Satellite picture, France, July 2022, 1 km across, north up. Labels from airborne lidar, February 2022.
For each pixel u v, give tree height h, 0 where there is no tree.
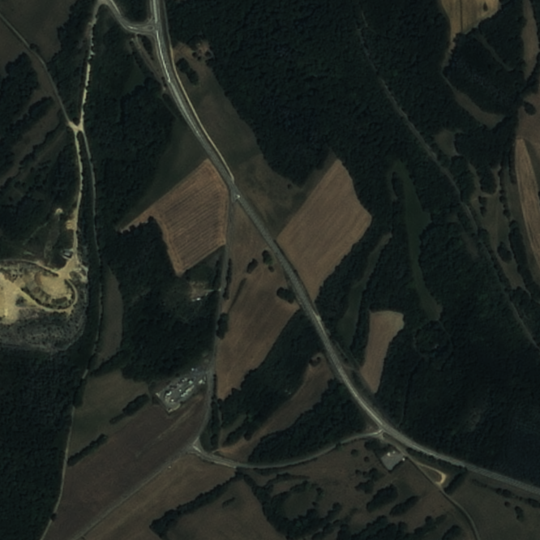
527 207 0
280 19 21
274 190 0
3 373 9
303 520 19
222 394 0
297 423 8
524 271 14
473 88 18
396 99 11
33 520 14
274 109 17
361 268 17
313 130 26
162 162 0
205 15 17
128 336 13
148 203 0
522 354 12
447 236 9
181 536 0
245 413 9
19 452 14
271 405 17
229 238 0
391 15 15
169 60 0
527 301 12
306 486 14
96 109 10
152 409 0
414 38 18
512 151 10
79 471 0
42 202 8
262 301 0
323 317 7
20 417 11
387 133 18
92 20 0
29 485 13
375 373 0
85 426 0
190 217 0
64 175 12
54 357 7
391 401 7
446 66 0
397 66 16
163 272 8
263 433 0
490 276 8
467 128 20
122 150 19
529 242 0
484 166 17
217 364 0
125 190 16
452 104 23
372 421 0
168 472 0
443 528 0
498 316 6
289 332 7
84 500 0
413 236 0
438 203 13
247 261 0
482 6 0
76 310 0
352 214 0
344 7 16
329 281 9
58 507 0
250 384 14
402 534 17
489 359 15
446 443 18
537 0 13
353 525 0
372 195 14
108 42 6
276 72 21
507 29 17
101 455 0
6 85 22
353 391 0
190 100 0
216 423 11
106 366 14
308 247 0
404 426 7
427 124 15
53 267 0
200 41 11
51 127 0
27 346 0
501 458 10
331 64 14
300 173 10
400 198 7
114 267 11
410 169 9
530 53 0
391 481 0
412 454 10
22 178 0
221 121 0
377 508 12
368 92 14
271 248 0
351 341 0
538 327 7
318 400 0
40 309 0
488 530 0
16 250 0
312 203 0
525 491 0
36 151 13
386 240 0
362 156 15
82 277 0
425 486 0
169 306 0
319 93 20
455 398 12
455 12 0
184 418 0
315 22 21
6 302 0
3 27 0
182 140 0
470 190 13
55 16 0
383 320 0
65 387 14
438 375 10
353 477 0
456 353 14
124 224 0
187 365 0
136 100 21
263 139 13
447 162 14
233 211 0
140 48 0
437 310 0
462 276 11
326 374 0
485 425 11
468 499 0
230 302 0
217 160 0
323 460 0
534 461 13
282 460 8
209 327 12
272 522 12
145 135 14
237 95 13
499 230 0
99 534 0
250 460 6
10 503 13
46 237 0
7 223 13
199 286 0
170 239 0
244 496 0
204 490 0
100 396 0
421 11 20
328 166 0
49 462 16
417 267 0
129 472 0
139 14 9
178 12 14
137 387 0
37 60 0
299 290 0
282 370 14
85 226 6
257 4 23
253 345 0
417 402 12
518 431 12
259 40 21
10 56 0
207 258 0
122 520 0
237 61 21
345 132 19
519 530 0
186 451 0
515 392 13
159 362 11
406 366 20
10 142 14
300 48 20
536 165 0
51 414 17
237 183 0
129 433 0
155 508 0
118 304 0
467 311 13
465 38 19
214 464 0
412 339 10
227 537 0
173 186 0
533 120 0
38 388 19
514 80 11
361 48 10
